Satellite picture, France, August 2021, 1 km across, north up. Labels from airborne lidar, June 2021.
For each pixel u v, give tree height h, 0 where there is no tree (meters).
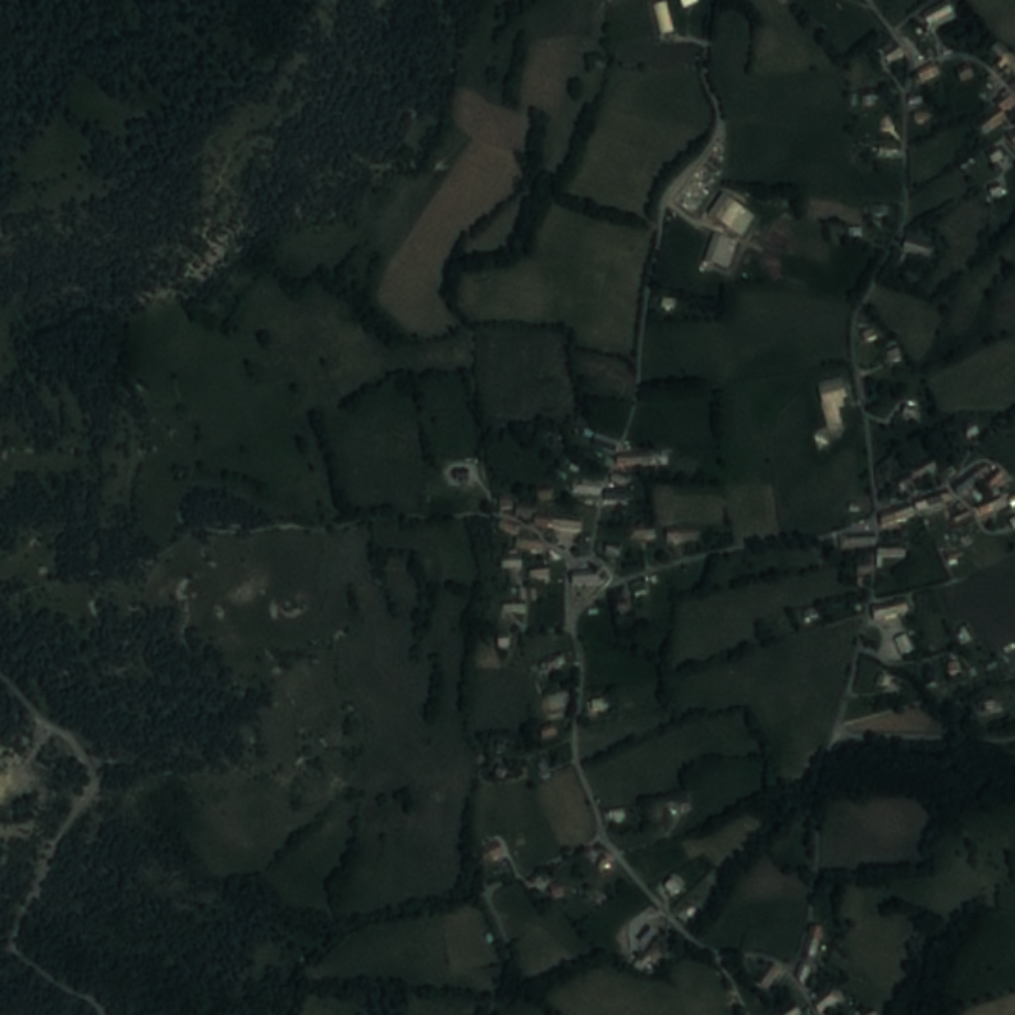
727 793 0
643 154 0
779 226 0
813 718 0
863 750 21
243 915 10
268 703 8
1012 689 6
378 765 0
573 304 0
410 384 16
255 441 0
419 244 0
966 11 8
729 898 15
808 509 0
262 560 0
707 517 0
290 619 0
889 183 0
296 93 7
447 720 0
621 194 0
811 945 0
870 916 0
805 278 0
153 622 9
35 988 8
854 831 0
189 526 7
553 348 0
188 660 7
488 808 0
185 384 0
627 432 0
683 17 0
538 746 10
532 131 8
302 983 12
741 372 0
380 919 12
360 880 0
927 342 0
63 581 7
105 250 8
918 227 9
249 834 0
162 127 19
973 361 0
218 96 7
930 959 18
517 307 0
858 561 8
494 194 0
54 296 6
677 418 0
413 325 0
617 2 0
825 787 22
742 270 0
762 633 9
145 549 8
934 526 0
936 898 0
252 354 0
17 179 10
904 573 7
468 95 0
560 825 0
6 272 9
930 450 14
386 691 0
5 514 9
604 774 0
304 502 0
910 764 31
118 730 7
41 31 19
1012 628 0
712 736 0
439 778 0
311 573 0
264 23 7
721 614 0
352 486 0
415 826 0
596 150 0
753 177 0
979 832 0
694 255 0
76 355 16
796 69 0
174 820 6
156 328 0
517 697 0
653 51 0
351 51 11
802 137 0
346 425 0
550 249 0
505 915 0
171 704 9
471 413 6
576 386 6
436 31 14
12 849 7
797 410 0
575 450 6
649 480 6
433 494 0
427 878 0
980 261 7
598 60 8
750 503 0
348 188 10
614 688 9
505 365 0
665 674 15
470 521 6
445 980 0
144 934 11
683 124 0
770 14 0
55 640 10
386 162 9
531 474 0
